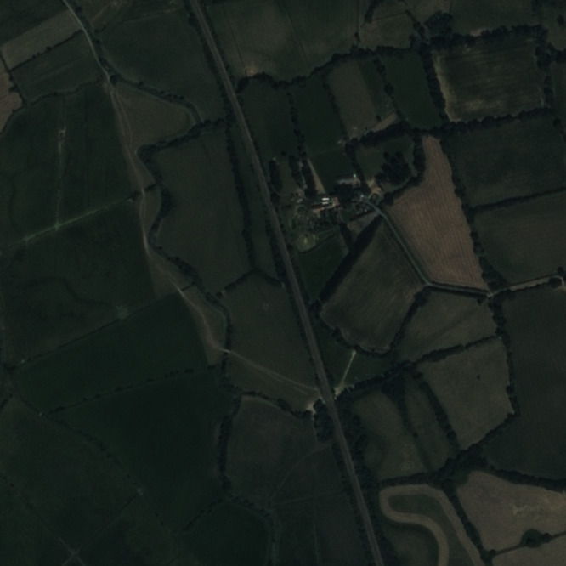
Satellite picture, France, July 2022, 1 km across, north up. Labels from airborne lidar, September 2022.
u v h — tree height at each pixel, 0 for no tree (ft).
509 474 27
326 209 30
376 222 54
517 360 0
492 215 0
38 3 0
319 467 0
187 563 0
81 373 0
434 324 0
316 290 0
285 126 0
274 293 0
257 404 0
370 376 0
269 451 0
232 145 22
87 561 0
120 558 0
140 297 0
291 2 0
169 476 0
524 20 0
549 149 0
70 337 0
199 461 0
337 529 0
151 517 0
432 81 63
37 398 0
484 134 0
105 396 0
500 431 21
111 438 0
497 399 0
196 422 0
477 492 0
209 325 0
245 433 0
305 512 0
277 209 25
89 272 0
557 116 0
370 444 0
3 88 0
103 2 0
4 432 0
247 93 0
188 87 0
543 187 0
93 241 0
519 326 0
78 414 0
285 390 0
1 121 0
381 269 0
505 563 0
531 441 0
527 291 24
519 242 0
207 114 0
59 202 0
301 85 42
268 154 0
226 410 0
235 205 0
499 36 68
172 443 0
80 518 0
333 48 0
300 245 0
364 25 0
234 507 0
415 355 0
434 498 0
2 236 0
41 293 0
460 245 0
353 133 0
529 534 0
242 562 0
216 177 0
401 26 0
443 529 0
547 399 0
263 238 0
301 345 0
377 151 0
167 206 23
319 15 0
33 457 0
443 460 0
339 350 0
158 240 0
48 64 0
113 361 0
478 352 0
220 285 0
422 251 0
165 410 0
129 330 0
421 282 22
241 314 0
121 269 0
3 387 0
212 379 0
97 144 0
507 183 0
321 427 52
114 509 0
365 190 40
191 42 0
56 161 0
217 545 0
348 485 25
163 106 0
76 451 0
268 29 0
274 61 0
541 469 0
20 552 0
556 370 0
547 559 0
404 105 0
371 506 17
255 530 0
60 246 0
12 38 0
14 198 0
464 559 0
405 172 55
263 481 0
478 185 0
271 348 0
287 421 0
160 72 0
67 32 0
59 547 0
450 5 0
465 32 0
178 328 0
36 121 0
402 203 0
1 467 0
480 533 0
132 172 0
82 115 0
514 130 0
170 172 0
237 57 0
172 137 0
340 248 0
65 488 0
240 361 0
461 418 0
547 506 0
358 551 0
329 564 0
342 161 0
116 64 0
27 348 0
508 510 0
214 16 0
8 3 0
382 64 29
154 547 0
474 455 40
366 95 0
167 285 0
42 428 0
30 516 0
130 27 0
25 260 0
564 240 0
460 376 0
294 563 0
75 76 0
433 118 0
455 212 0
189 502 0
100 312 0
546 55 52
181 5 0
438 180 0
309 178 75
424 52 76
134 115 0
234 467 0
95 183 0
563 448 0
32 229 0
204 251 0
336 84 0
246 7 0
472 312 0
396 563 23
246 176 0
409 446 0
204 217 0
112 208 0
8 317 0
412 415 0
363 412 0
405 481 24
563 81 0
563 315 0
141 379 0
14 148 0
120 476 0
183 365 0
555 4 20
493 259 0
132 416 0
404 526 0
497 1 0
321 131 0
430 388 21
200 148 0
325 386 0
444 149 32
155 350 0
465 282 0
